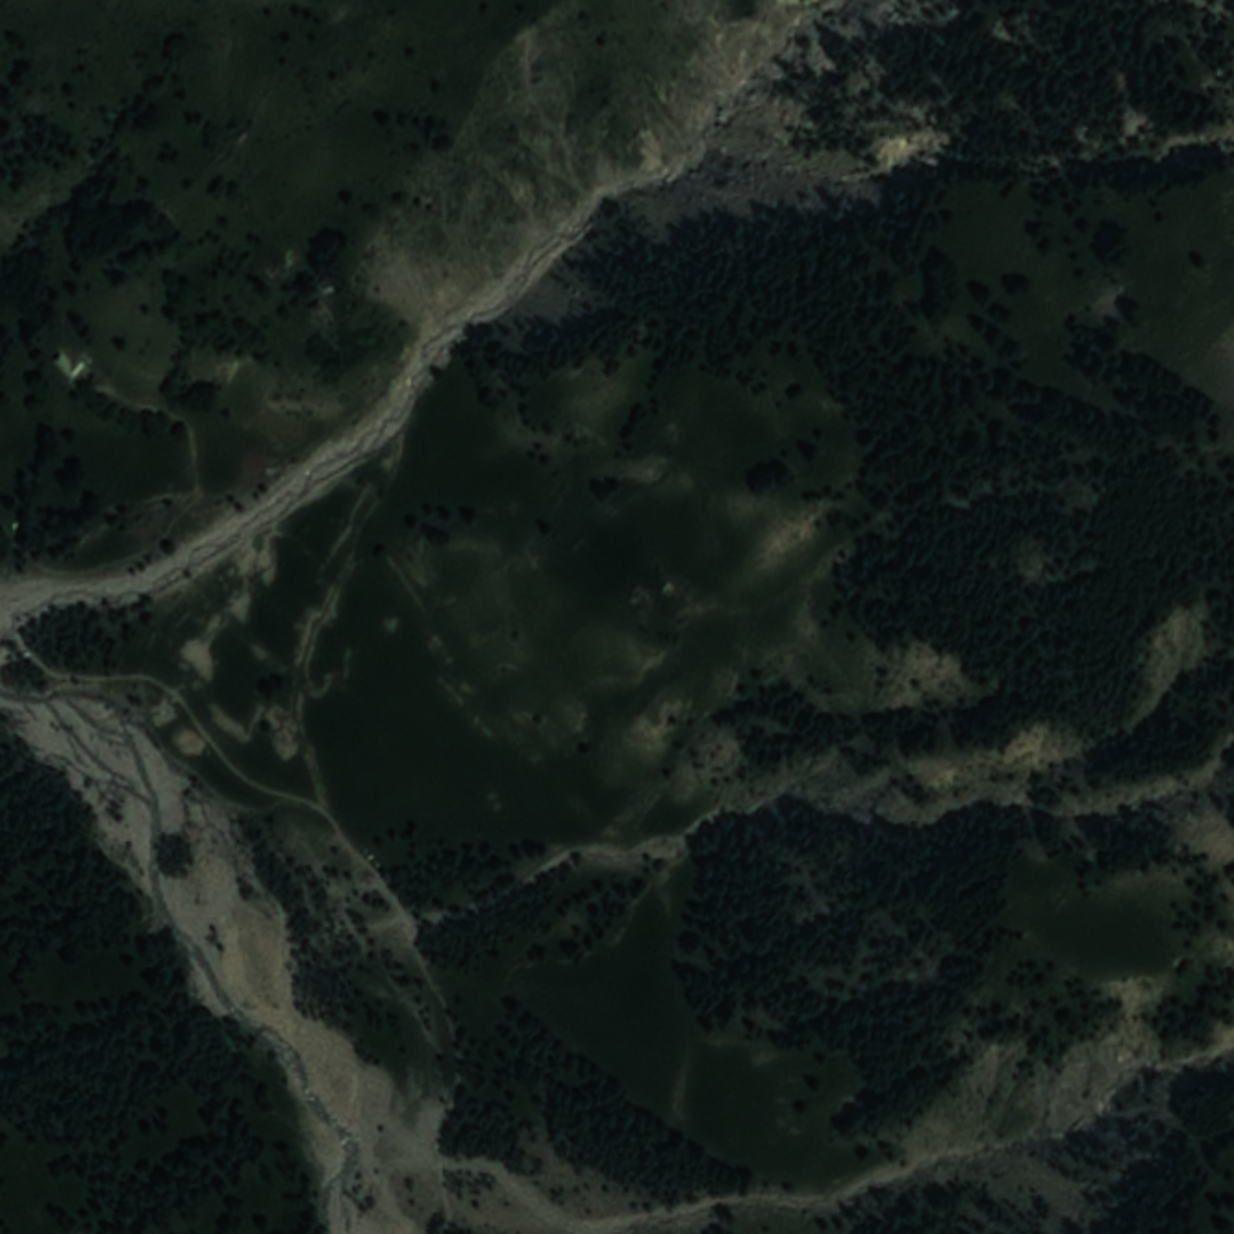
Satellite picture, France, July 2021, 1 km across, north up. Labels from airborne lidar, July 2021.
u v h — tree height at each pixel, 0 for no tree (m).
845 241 13
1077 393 0
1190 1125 18
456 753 0
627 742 0
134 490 0
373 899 8
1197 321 0
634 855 0
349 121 0
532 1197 0
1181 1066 0
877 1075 26
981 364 16
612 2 0
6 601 0
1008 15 19
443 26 0
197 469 0
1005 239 0
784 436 0
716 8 0
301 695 0
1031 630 19
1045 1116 0
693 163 0
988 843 22
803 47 11
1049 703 15
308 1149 0
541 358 15
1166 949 0
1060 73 16
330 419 0
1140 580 18
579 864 13
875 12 0
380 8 0
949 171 20
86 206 23
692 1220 0
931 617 15
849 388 19
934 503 17
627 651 0
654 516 0
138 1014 25
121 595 0
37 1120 9
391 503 0
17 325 0
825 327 16
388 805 0
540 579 0
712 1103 0
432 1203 0
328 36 0
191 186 12
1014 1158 0
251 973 0
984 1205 14
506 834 0
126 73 0
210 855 0
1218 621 13
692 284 20
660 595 0
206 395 21
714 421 0
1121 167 11
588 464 0
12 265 17
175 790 0
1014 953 0
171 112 0
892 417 21
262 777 0
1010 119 18
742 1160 0
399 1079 0
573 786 0
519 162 8
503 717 0
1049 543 14
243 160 0
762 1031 9
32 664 13
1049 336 0
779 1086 0
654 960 0
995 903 12
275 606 0
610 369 11
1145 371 25
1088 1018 13
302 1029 0
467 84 0
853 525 12
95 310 0
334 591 0
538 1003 0
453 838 0
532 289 0
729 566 0
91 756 0
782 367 0
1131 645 12
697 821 0
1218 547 18
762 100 0
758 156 0
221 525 0
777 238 6
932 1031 18
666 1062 0
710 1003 22
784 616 0
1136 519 17
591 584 0
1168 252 0
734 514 0
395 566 0
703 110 0
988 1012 13
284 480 0
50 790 20
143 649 0
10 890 6
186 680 0
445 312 0
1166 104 24
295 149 0
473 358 17
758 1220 0
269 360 13
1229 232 0
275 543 0
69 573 0
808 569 0
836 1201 0
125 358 0
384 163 0
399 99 0
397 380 0
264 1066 0
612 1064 0
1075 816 0
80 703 0
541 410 0
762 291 15
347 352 7
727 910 19
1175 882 0
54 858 18
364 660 0
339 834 0
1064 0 25
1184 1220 26
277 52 0
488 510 0
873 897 20
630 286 26
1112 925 0
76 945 23
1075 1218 0
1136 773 18
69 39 0
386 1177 0
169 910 0
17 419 0
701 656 0
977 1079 0
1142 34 17
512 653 0
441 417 0
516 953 0
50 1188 0
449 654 0
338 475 0
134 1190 18
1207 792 0
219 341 8
